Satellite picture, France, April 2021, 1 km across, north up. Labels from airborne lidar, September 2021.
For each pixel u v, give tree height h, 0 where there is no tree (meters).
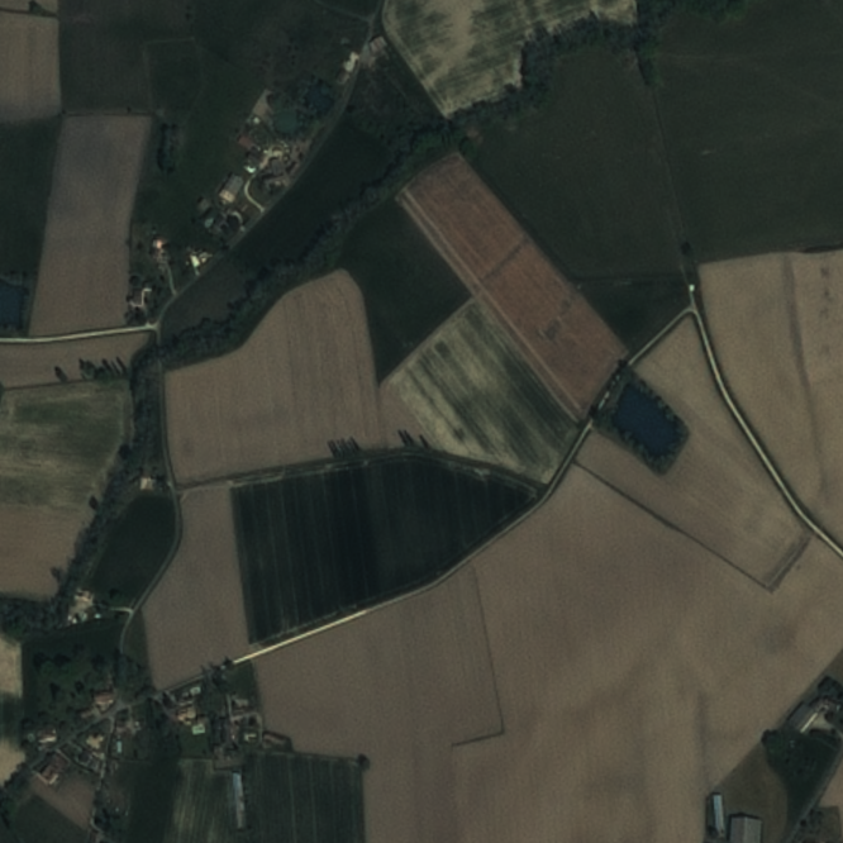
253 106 0
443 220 0
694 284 0
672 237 0
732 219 0
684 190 0
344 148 0
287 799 0
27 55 0
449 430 0
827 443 0
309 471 0
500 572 0
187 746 0
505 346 0
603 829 0
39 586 0
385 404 0
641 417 0
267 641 0
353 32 0
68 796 0
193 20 10
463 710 0
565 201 0
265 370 0
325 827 0
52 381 0
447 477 0
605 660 0
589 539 0
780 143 0
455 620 0
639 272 0
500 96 0
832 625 0
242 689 0
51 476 0
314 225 0
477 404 0
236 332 12
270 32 0
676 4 22
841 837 0
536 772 0
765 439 0
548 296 0
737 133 0
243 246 0
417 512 0
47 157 0
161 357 17
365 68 0
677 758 0
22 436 0
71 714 11
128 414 0
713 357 0
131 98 0
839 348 0
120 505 16
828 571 0
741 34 0
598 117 0
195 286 0
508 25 0
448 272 0
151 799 0
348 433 0
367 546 0
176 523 0
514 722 0
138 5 0
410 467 0
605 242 0
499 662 0
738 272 0
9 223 0
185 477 0
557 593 0
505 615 0
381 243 0
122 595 6
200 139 0
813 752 0
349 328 0
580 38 25
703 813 0
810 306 0
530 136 0
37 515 0
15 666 0
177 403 0
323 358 0
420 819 0
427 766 0
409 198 0
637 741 0
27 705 0
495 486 0
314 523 0
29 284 10
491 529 0
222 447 0
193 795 0
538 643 0
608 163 0
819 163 0
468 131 15
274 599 0
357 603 0
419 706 0
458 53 0
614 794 0
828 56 0
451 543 0
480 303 0
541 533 0
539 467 0
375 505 0
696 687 0
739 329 0
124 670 22
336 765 0
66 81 0
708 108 0
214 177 0
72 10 0
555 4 0
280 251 0
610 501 0
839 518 0
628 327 0
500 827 0
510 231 0
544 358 0
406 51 0
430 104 0
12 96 0
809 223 0
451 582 0
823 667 0
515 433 0
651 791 0
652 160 0
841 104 0
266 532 0
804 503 0
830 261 0
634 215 0
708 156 0
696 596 0
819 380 0
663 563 0
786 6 0
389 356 0
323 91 16
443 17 0
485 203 0
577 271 0
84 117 0
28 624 18
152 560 0
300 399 0
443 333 0
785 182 0
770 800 0
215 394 0
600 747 0
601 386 0
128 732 7
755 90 0
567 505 0
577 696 0
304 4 0
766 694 0
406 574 0
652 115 0
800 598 0
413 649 0
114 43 0
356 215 12
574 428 0
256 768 0
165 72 0
